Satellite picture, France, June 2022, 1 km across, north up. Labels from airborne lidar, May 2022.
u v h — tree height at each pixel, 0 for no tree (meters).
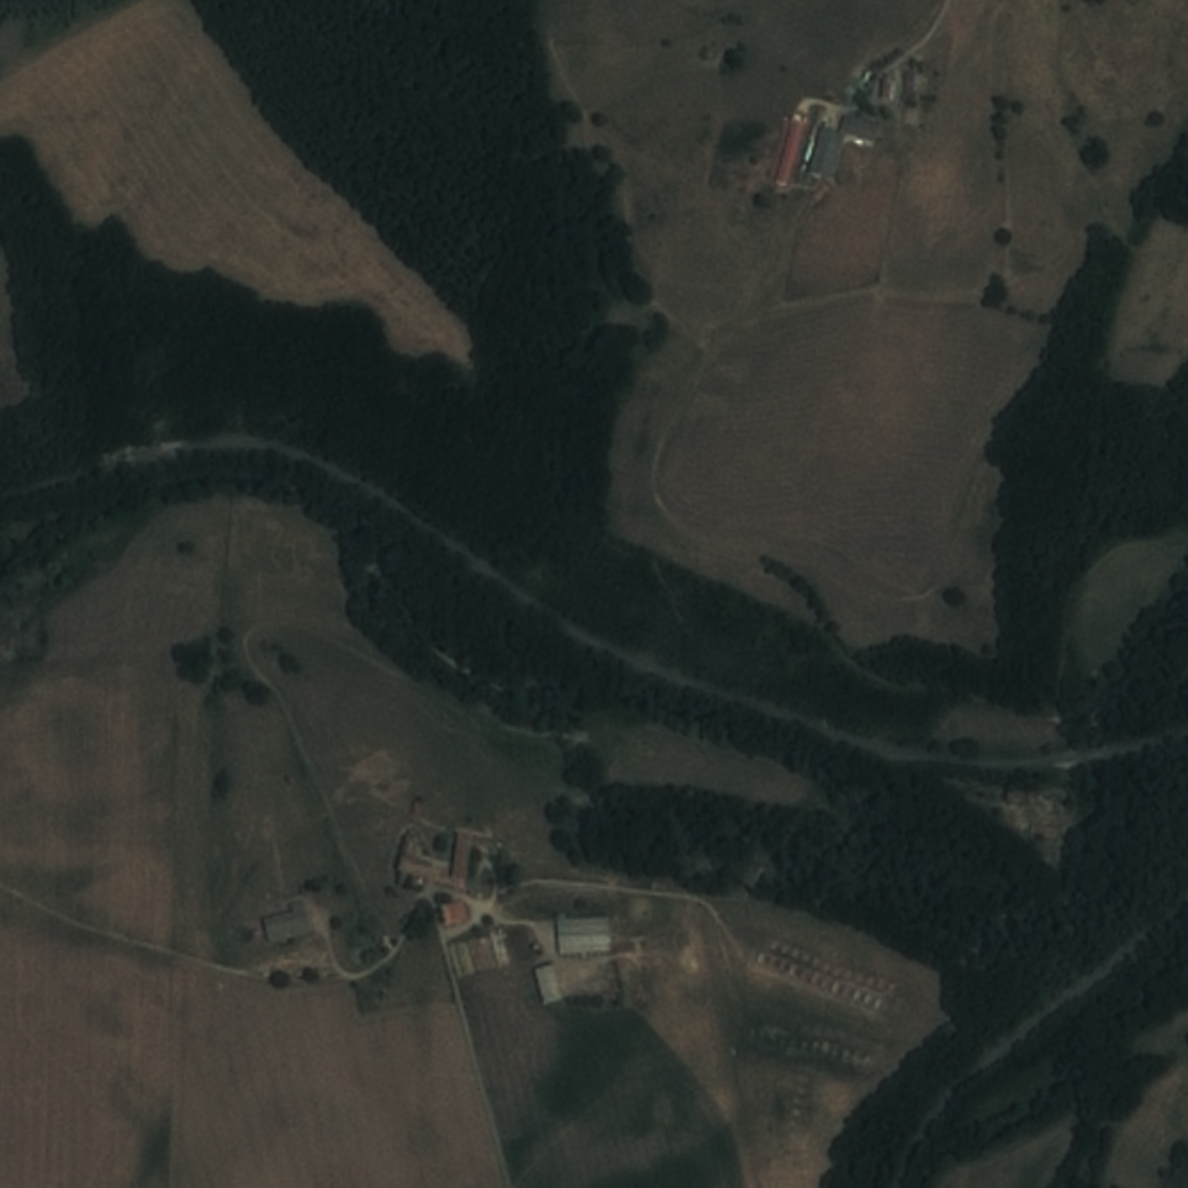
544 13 0
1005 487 11
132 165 0
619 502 0
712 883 18
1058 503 26
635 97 0
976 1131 11
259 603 0
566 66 0
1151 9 0
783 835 18
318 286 0
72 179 0
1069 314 17
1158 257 0
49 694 0
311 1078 0
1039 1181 0
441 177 19
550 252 25
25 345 17
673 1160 0
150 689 0
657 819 24
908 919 15
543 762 0
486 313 13
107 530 0
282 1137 0
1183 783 10
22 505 16
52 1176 0
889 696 6
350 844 0
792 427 0
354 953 0
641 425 0
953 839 20
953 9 0
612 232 14
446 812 0
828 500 0
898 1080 12
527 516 16
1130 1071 29
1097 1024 26
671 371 0
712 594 8
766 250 0
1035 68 0
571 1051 0
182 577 0
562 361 27
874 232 0
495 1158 0
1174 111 0
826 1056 0
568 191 21
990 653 11
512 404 13
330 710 0
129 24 0
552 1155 0
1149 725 21
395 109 22
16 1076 0
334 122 16
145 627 0
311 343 7
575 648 23
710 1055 0
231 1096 0
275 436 13
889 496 0
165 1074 0
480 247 15
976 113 0
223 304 13
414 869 0
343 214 0
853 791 26
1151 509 15
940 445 0
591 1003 9
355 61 18
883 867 24
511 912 0
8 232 16
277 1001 0
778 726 24
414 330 0
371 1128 0
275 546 0
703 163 0
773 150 0
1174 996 25
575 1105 0
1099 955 13
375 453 14
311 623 0
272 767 0
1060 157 0
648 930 0
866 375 0
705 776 0
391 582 25
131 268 10
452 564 22
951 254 0
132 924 0
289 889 0
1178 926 19
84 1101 0
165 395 10
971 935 21
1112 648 0
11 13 15
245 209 0
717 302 0
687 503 0
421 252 18
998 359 0
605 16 0
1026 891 25
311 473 23
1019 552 14
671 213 0
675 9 0
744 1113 0
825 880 18
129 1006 0
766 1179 0
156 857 0
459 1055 0
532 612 22
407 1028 0
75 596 0
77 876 0
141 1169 0
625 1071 0
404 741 0
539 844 0
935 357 0
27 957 0
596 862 13
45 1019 0
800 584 16
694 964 0
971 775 13
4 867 0
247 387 13
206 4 13
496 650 24
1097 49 0
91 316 14
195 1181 0
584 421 21
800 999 0
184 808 0
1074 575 8
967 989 12
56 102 0
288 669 11
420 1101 0
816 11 0
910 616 0
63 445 13
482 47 25
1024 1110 12
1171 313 0
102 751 0
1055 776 0
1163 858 13
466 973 0
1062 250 0
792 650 7
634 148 0
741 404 0
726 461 0
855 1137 16
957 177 0
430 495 13
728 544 0
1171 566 0
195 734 0
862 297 0
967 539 0
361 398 14
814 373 0
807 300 0
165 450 0
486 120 19
